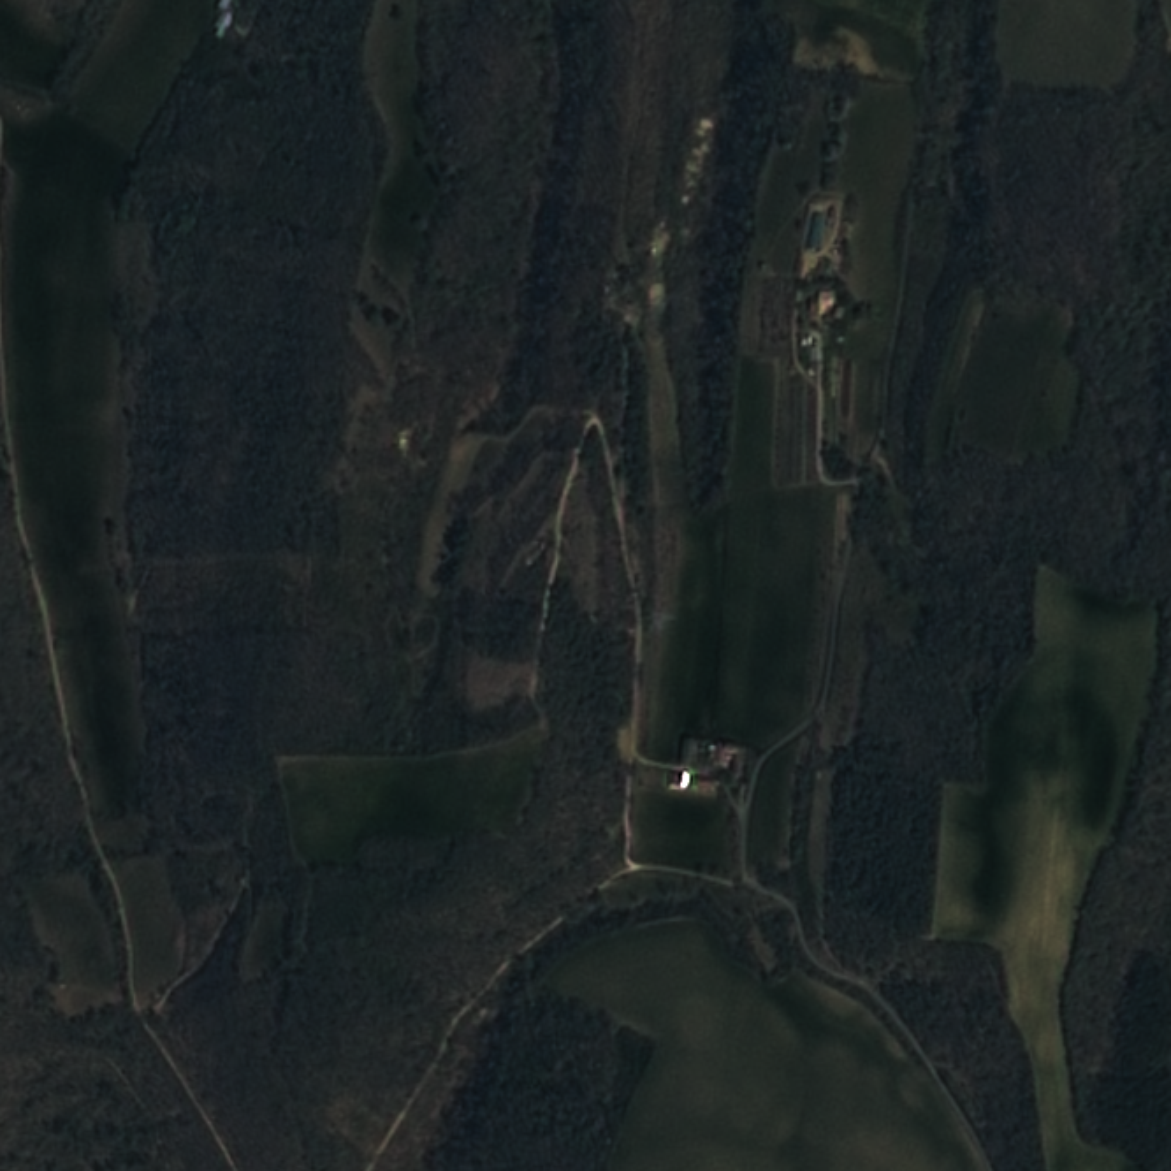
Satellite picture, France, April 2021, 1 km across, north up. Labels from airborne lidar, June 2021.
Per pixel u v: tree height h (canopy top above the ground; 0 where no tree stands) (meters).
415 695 8
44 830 12
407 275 0
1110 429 19
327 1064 15
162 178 9
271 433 9
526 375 19
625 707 8
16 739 14
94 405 0
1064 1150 0
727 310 19
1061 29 0
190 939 0
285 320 7
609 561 14
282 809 8
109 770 0
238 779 12
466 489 0
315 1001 18
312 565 6
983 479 10
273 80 15
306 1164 6
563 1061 16
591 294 14
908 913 7
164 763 8
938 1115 0
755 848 0
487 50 12
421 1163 11
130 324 9
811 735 9
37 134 0
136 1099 11
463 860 12
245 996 11
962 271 10
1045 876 0
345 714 16
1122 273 13
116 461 0
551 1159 18
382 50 0
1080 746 0
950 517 13
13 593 13
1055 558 12
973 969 10
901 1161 0
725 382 21
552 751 12
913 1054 7
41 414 0
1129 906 11
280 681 13
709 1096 0
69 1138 12
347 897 13
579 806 10
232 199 8
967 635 19
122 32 0
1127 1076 23
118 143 0
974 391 0
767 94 18
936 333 12
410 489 10
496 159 14
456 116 20
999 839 0
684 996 0
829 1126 0
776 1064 0
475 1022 14
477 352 20
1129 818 14
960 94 24
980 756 8
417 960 16
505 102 12
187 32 0
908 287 9
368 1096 15
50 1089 15
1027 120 18
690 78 9
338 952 12
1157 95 8
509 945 8
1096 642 0
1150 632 0
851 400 0
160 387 7
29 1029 15
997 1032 9
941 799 9
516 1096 16
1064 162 17
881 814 9
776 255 0
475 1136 14
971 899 0
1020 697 0
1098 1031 14
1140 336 16
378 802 0
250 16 16
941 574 7
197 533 11
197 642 10
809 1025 0
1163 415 21
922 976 10
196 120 9
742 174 20
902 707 7
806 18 0
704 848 0
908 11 0
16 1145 14
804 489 0
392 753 6
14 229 0
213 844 13
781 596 0
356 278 11
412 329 10
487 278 16
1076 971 13
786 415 0
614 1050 10
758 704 0
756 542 0
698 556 0
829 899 7
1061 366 0
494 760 0
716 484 18
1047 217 16
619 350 8
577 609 12
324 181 8
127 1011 12
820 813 0
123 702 0
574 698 8
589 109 19
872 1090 0
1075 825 0
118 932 11
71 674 0
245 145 8
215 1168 15
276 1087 9
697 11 6
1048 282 11
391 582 14
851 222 8
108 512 0
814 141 0
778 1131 0
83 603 0
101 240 0
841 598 0
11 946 16
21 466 0
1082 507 18
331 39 14
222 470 12
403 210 0
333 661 16
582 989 0
